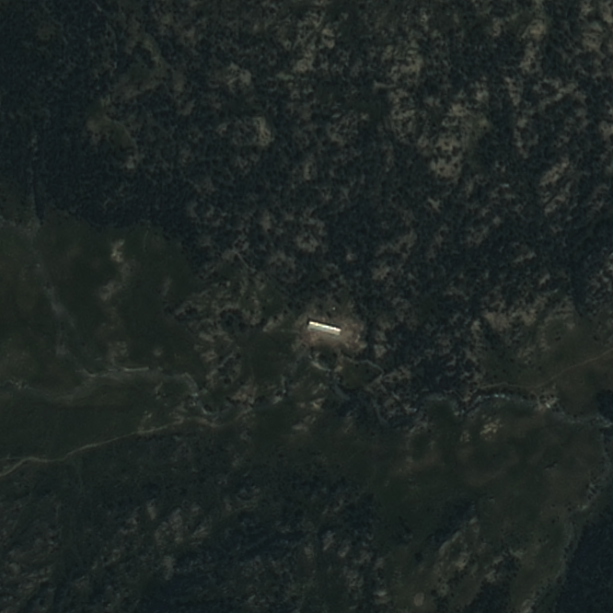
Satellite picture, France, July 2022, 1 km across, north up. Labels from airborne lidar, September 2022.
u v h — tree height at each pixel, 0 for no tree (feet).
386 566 0
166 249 0
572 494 0
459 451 0
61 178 30
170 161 23
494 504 0
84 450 0
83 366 0
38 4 25
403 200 21
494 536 0
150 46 0
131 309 0
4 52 30
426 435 0
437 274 40
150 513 0
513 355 0
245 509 0
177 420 0
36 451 0
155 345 0
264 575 32
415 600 0
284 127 32
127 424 0
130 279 0
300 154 47
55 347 0
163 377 0
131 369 0
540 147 53
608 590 24
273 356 0
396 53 0
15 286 0
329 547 0
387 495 0
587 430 0
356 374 0
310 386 0
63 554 0
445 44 25
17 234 0
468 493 0
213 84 19
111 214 21
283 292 22
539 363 0
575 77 31
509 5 32
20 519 0
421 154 62
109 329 0
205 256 22
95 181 27
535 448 0
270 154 36
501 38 21
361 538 36
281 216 44
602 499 0
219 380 0
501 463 0
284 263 31
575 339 0
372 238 73
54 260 0
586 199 50
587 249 26
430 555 0
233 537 24
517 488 0
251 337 0
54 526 29
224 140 41
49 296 0
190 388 0
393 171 58
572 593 24
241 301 0
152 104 24
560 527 0
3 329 0
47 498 0
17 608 0
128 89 0
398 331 33
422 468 0
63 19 30
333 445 0
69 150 21
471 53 28
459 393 19
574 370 0
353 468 0
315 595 0
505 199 34
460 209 59
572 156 32
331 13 0
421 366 31
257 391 0
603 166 22
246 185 53
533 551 0
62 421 0
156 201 38
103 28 24
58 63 30
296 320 0
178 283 0
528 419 0
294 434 0
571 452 0
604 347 0
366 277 36
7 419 0
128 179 47
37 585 0
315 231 36
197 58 23
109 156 30
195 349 0
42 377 0
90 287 0
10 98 31
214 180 29
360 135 23
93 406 0
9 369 0
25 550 0
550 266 25
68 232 0
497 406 0
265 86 24
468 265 21
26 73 43
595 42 0
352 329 0
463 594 0
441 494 0
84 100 25
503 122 41
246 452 0
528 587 0
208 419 0
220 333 0
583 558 40
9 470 0
